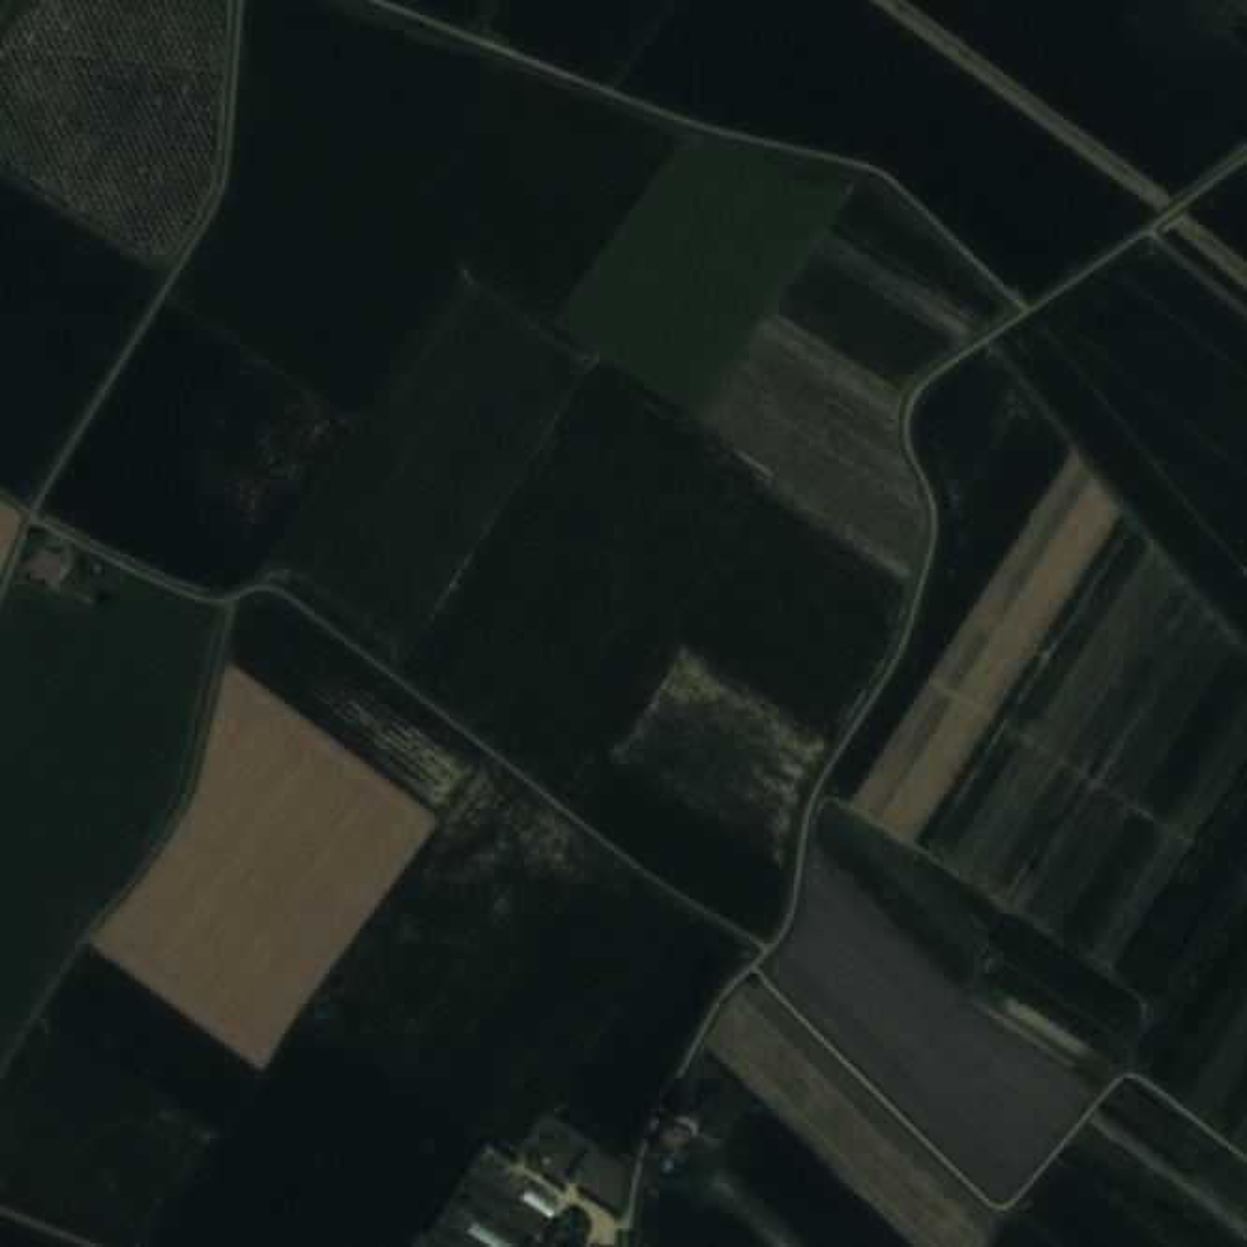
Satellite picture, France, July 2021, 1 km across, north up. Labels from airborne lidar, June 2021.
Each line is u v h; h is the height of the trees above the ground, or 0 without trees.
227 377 0
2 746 0
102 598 9
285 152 0
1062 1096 0
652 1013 0
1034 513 0
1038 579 0
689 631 0
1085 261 0
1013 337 0
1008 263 0
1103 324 0
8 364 0
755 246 0
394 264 0
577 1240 8
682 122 0
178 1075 0
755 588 0
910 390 0
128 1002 0
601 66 0
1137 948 11
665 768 0
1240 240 0
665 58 0
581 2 0
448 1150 0
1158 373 0
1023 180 0
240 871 0
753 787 0
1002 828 0
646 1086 0
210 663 0
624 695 0
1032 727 0
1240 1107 0
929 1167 0
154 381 0
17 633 0
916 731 0
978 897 0
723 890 0
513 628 0
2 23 0
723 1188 0
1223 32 0
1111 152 0
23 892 0
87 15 11
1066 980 10
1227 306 0
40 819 0
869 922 0
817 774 0
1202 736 0
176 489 0
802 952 0
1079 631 0
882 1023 0
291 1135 0
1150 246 0
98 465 0
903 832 0
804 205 0
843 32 0
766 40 0
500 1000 0
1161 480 0
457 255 0
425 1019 0
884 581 0
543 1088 0
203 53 10
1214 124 0
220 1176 0
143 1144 0
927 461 0
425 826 0
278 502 0
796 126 0
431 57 0
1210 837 9
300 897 0
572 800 0
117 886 0
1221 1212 0
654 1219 0
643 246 0
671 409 0
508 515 0
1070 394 0
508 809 0
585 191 0
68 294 0
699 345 0
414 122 0
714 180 0
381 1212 0
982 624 0
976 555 0
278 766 0
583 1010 0
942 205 0
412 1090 0
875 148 0
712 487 0
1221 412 0
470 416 0
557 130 0
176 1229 0
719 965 0
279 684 0
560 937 0
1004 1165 0
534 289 0
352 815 0
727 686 0
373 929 0
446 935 0
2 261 0
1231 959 0
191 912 0
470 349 0
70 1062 0
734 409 0
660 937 0
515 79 0
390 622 0
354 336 0
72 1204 0
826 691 0
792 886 0
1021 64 0
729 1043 0
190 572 0
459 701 0
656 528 0
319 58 0
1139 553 0
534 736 0
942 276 0
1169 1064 0
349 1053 0
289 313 0
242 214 0
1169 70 0
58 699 0
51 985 0
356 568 0
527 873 0
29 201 0
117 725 0
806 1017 0
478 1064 0
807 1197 0
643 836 0
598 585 0
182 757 0
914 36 0
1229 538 0
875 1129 0
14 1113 0
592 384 0
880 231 0
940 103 0
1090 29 0
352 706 0
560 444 0
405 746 0
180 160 7
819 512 0
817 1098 0
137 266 0
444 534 0
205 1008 0
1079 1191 0
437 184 0
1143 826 0
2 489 0
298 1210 0
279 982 0
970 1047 0
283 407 0
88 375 0
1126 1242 0
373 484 0
